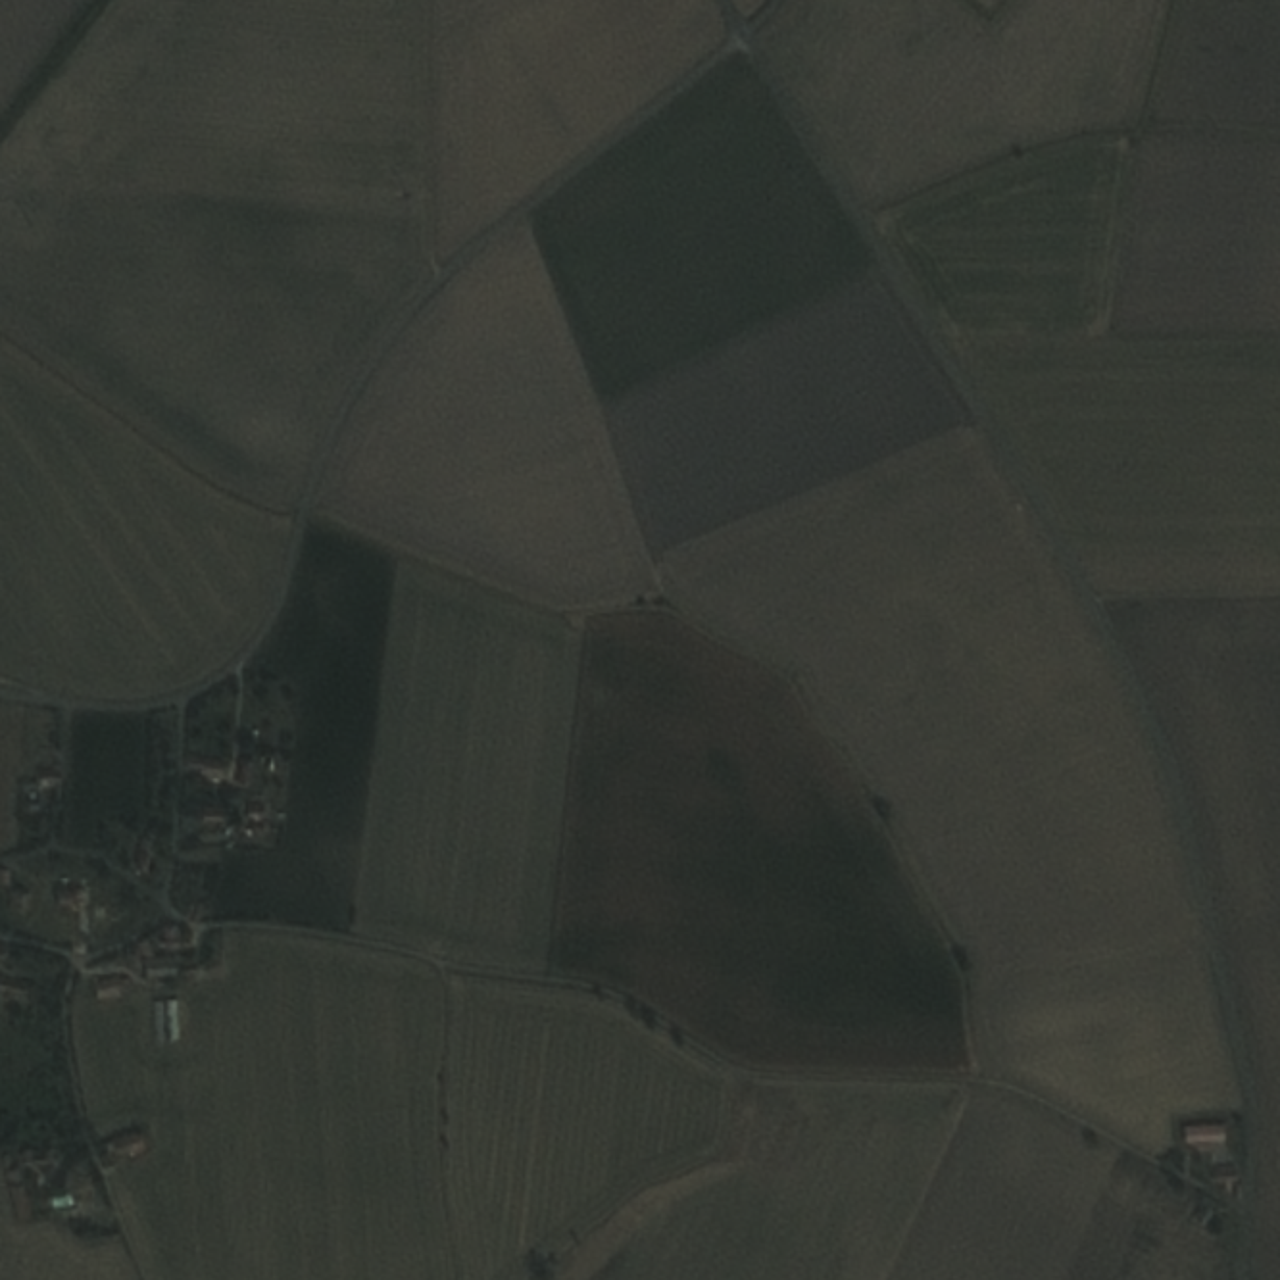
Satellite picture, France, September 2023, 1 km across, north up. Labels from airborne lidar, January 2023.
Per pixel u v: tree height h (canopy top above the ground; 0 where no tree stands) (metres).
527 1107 0
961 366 0
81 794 0
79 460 0
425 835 0
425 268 0
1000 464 0
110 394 0
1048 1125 0
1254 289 0
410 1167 0
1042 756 0
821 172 0
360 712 0
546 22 0
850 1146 0
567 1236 0
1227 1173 0
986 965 0
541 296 0
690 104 0
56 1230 0
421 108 0
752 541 0
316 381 0
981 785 0
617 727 0
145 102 0
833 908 0
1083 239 0
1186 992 0
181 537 0
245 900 0
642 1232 0
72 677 0
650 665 0
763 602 0
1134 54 0
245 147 0
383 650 0
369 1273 0
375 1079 0
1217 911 0
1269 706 0
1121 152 0
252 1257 0
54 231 0
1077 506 0
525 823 0
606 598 0
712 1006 0
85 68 0
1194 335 0
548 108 0
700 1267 0
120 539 0
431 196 0
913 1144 0
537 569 0
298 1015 0
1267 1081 0
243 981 0
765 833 0
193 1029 0
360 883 0
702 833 0
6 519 0
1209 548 0
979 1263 0
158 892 9
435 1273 0
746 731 0
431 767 0
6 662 0
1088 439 0
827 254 0
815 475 0
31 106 0
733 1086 0
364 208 0
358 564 0
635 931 0
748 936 0
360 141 0
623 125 0
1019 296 0
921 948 0
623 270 0
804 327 0
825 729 0
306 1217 0
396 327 0
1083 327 0
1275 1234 0
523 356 0
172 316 0
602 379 0
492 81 0
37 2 0
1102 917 0
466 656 0
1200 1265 0
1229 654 0
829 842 0
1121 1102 0
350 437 0
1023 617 0
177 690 0
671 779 0
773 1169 0
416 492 0
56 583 0
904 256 0
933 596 0
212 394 0
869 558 0
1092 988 0
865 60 0
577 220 0
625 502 0
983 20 0
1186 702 0
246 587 0
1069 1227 0
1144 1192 0
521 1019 0
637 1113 0
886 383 0
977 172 0
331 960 0
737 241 0
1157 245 0
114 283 0
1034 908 0
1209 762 0
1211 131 0
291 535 0
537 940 0
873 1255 0
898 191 0
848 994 0
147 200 0
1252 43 0
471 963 0
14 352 0
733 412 0
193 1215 0
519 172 0
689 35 0
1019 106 0
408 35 0
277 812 0
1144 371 0
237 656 0
